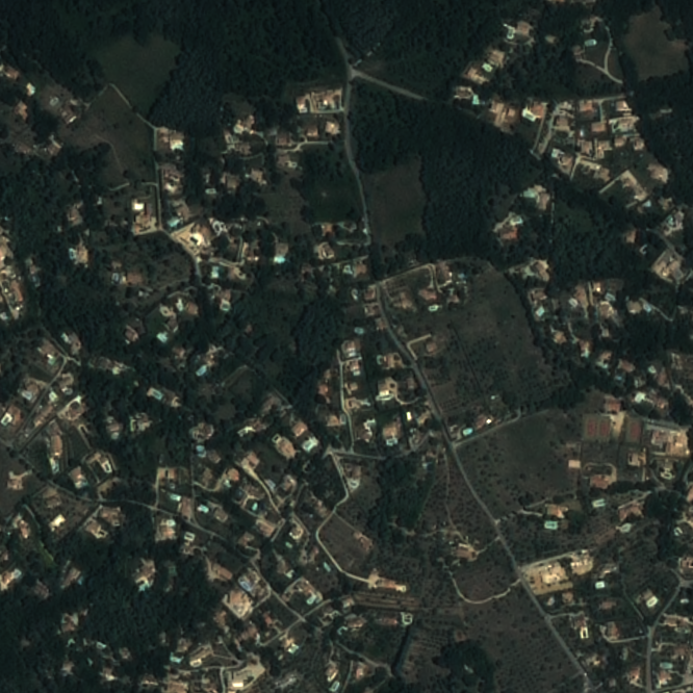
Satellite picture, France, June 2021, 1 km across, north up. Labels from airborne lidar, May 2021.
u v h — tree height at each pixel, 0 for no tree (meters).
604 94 8
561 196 19
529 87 7
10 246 16
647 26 0
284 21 18
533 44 7
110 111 0
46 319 6
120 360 8
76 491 13
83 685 14
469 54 15
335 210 0
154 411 16
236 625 11
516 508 0
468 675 10
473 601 0
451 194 8
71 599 10
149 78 0
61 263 15
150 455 12
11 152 13
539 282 10
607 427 0
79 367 10
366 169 17
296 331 16
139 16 15
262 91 16
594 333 9
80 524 7
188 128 18
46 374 0
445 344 0
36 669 22
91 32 6
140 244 16
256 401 10
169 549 15
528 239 11
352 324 7
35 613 11
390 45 12
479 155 20
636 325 10
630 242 7
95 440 11
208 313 13
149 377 16
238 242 14
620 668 7
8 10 19
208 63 19
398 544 13
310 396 18
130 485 8
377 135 16
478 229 17
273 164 7
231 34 12
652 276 9
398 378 13
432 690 5
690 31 11
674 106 18
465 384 5
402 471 15
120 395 7
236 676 0
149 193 8
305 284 6
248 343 19
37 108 14
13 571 0
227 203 11
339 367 6
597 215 15
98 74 11
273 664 10
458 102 15
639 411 11
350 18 21
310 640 12
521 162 15
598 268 13
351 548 0
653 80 18
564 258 16
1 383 11
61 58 19
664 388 10
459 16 18
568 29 17
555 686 7
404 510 16
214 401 12
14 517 5
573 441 0
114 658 10
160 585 13
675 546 9
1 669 15
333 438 9
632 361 12
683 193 14
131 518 13
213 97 19
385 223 0
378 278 18
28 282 7
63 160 16
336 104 0
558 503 7
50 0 21
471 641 9
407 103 17
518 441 0
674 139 15
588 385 14
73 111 11
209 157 18
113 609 15
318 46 19
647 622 12
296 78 19
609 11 12
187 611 12
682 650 0
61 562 14
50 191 22
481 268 16
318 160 11
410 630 16
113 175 0
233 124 7
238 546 10
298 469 11
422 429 10
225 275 9
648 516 12
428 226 16
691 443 12
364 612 13
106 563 12
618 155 0
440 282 6
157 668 14
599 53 0
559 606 6
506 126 0
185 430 19
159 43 0
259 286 10
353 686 7
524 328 0
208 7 20
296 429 0
